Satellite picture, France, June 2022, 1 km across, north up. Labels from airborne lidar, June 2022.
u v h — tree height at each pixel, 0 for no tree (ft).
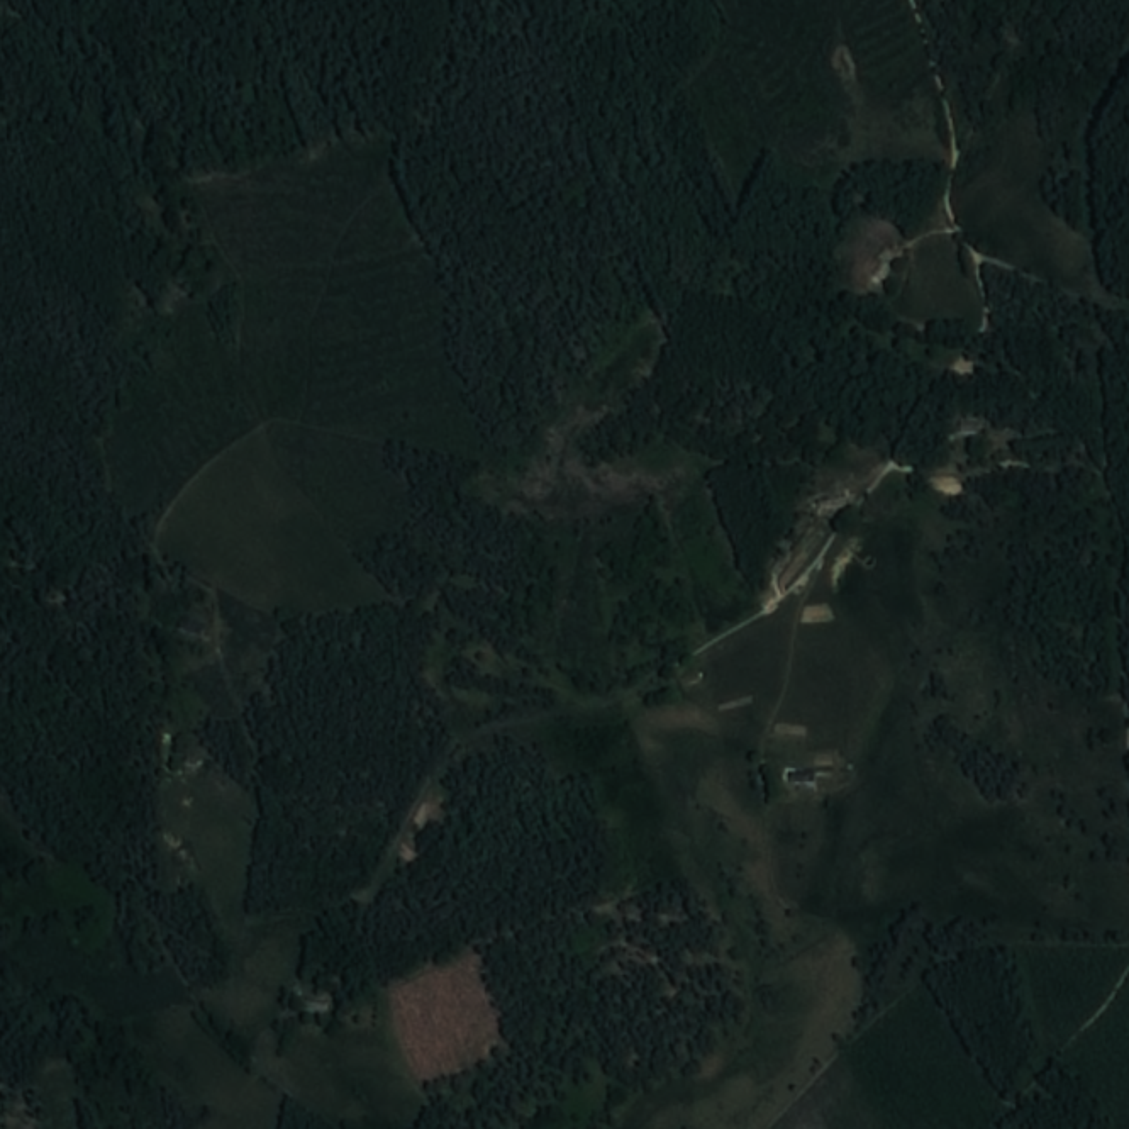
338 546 0
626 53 54
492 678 52
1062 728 0
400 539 38
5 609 68
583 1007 49
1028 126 0
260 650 0
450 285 75
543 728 0
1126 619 48
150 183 72
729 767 0
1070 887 22
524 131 42
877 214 96
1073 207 74
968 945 65
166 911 55
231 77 69
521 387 46
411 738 62
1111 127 84
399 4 82
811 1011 0
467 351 49
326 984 53
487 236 62
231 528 0
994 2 49
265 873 45
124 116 81
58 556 63
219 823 0
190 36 85
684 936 75
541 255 50
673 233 62
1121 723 0
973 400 59
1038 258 0
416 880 58
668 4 66
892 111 0
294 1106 52
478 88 56
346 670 57
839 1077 0
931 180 81
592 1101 0
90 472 51
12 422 58
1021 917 0
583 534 43
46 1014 29
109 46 51
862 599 0
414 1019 0
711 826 0
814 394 95
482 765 30
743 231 88
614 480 0
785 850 0
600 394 0
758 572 65
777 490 64
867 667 0
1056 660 31
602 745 24
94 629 59
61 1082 0
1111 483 45
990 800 23
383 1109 0
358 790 63
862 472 0
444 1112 56
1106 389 37
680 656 36
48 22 68
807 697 0
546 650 0
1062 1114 62
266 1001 0
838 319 67
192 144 56
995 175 0
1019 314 52
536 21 38
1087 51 67
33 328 48
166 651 56
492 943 62
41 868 52
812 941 0
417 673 38
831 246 95
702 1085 0
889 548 0
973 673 0
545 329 57
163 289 83
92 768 60
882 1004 24
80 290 68
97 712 55
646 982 52
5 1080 75
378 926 47
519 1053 62
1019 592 22
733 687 0
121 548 68
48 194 65
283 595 0
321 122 60
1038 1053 68
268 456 0
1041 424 51
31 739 45
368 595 0
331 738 62
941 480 0
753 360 57
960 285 0
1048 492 46
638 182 51
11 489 54
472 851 39
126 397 47
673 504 0
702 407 48
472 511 53
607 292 46
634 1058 50
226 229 0
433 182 82
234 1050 40
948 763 0
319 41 71
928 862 0
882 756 0
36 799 71
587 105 57
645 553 34
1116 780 0
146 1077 33
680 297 57
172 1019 0
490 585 42
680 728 0
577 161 59
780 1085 0
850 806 0
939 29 47
